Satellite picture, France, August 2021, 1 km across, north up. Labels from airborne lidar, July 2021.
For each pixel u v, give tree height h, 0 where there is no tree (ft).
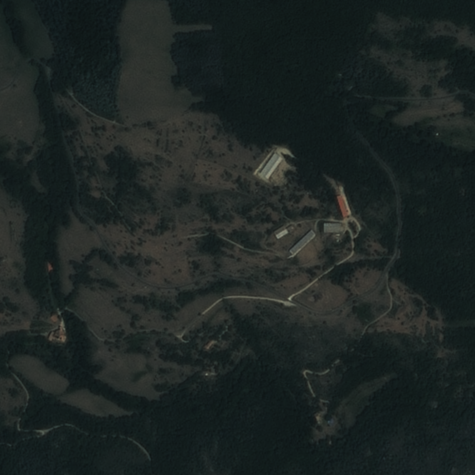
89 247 0
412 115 0
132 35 0
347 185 24
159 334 26
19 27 71
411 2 59
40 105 20
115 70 55
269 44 67
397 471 20
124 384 0
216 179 0
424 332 0
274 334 21
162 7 0
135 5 0
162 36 0
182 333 0
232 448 26
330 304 0
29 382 26
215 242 33
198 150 0
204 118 0
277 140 48
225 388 46
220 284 40
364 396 0
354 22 55
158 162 0
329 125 61
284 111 83
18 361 0
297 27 58
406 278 25
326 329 0
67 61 50
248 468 35
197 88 54
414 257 33
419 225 45
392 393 55
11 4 61
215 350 36
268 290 0
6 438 49
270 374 54
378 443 45
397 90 31
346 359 31
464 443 27
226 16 54
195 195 0
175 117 0
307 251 0
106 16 46
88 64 28
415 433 32
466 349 26
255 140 39
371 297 0
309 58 85
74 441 47
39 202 53
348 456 33
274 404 52
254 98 54
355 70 61
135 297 23
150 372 0
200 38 44
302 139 54
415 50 25
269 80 93
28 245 33
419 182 25
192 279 0
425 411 61
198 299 0
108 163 24
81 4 48
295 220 0
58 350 46
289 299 0
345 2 74
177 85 33
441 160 69
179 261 0
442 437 25
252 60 74
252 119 60
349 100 56
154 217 0
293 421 64
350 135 45
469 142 0
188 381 31
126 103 0
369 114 45
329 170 44
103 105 34
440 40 30
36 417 52
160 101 0
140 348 20
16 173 32
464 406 51
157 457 39
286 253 0
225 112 57
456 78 55
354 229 20
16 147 0
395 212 22
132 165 25
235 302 0
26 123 0
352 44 42
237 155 0
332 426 0
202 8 52
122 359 0
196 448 22
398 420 35
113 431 36
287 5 76
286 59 88
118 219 25
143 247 0
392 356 36
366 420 45
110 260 35
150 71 0
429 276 38
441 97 0
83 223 34
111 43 43
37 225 46
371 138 37
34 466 31
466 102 37
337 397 28
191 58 60
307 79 80
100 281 28
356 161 23
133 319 22
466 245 36
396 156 38
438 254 51
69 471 31
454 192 33
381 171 27
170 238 0
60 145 36
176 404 64
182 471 29
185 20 49
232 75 39
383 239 29
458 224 31
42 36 0
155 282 0
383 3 56
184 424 47
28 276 42
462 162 46
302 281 0
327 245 0
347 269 37
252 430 31
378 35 18
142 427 26
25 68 0
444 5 54
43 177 33
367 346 31
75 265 33
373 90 34
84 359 58
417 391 59
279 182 0
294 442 67
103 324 0
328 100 70
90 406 0
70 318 38
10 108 0
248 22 60
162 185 0
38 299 34
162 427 26
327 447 45
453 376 27
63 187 30
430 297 34
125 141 0
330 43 66
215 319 0
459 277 43
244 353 0
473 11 66
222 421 67
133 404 52
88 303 0
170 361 24
